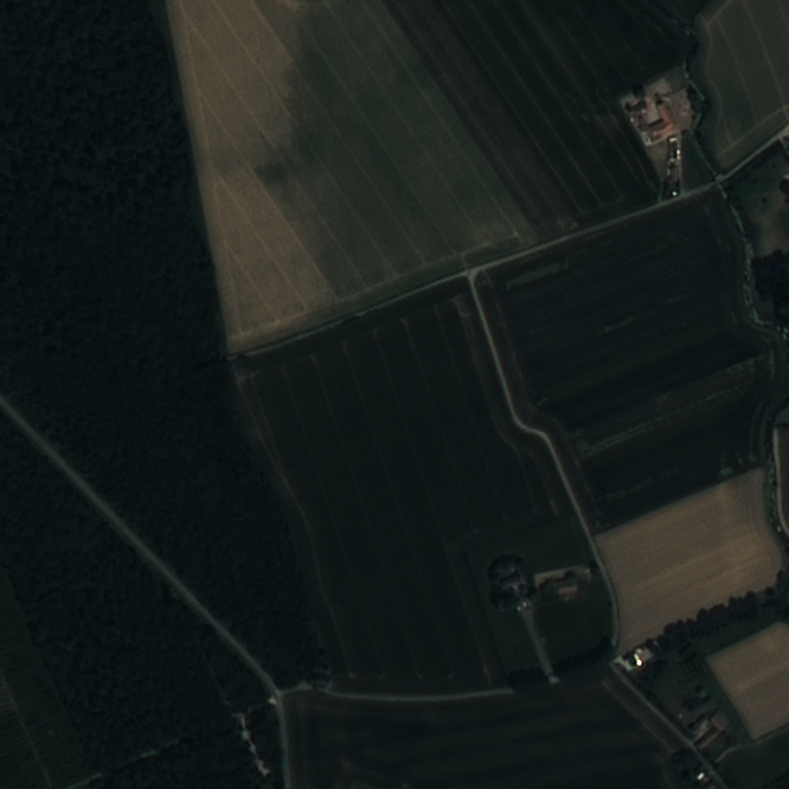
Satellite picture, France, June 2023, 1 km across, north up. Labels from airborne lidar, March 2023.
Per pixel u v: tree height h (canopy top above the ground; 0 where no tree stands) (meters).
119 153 8
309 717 0
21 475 17
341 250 0
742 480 0
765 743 0
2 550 19
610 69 0
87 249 36
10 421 15
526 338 0
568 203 0
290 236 0
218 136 0
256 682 17
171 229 23
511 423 0
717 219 0
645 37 0
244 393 0
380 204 0
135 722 21
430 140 0
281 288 0
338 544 0
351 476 0
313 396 0
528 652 0
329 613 0
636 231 0
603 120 0
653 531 0
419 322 0
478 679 0
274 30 0
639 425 0
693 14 0
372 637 0
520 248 0
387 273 0
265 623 21
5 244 23
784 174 0
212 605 29
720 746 0
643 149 0
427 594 0
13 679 0
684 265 0
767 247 0
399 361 0
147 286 23
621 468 0
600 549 0
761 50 0
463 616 0
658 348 0
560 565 0
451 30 0
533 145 0
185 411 24
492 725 0
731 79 0
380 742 0
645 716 0
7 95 26
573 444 0
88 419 24
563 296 0
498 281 0
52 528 24
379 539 0
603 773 0
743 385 0
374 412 0
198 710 34
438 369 0
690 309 0
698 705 0
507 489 0
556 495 0
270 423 0
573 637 0
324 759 0
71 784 0
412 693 0
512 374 0
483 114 0
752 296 0
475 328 0
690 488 0
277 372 0
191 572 32
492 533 0
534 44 0
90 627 20
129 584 30
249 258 0
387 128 0
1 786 0
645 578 0
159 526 26
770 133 0
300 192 0
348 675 0
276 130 0
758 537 0
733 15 0
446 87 0
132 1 18
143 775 24
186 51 0
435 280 0
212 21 0
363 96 0
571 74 0
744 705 0
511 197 0
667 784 0
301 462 0
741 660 0
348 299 0
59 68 23
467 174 0
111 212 23
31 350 33
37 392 26
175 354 19
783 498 0
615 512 0
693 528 0
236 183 0
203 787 23
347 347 0
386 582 0
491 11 0
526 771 0
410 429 0
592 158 0
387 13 0
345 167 0
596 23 0
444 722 0
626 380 0
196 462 24
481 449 0
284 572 21
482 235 0
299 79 0
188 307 22
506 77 0
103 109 22
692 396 0
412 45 0
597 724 0
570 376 0
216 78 0
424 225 0
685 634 13
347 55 0
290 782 0
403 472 0
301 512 0
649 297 0
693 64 0
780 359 0
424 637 0
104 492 18
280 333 0
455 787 0
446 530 0
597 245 0
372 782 0
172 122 20
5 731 0
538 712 0
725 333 0
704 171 0
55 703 0
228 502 24
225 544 28
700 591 0
